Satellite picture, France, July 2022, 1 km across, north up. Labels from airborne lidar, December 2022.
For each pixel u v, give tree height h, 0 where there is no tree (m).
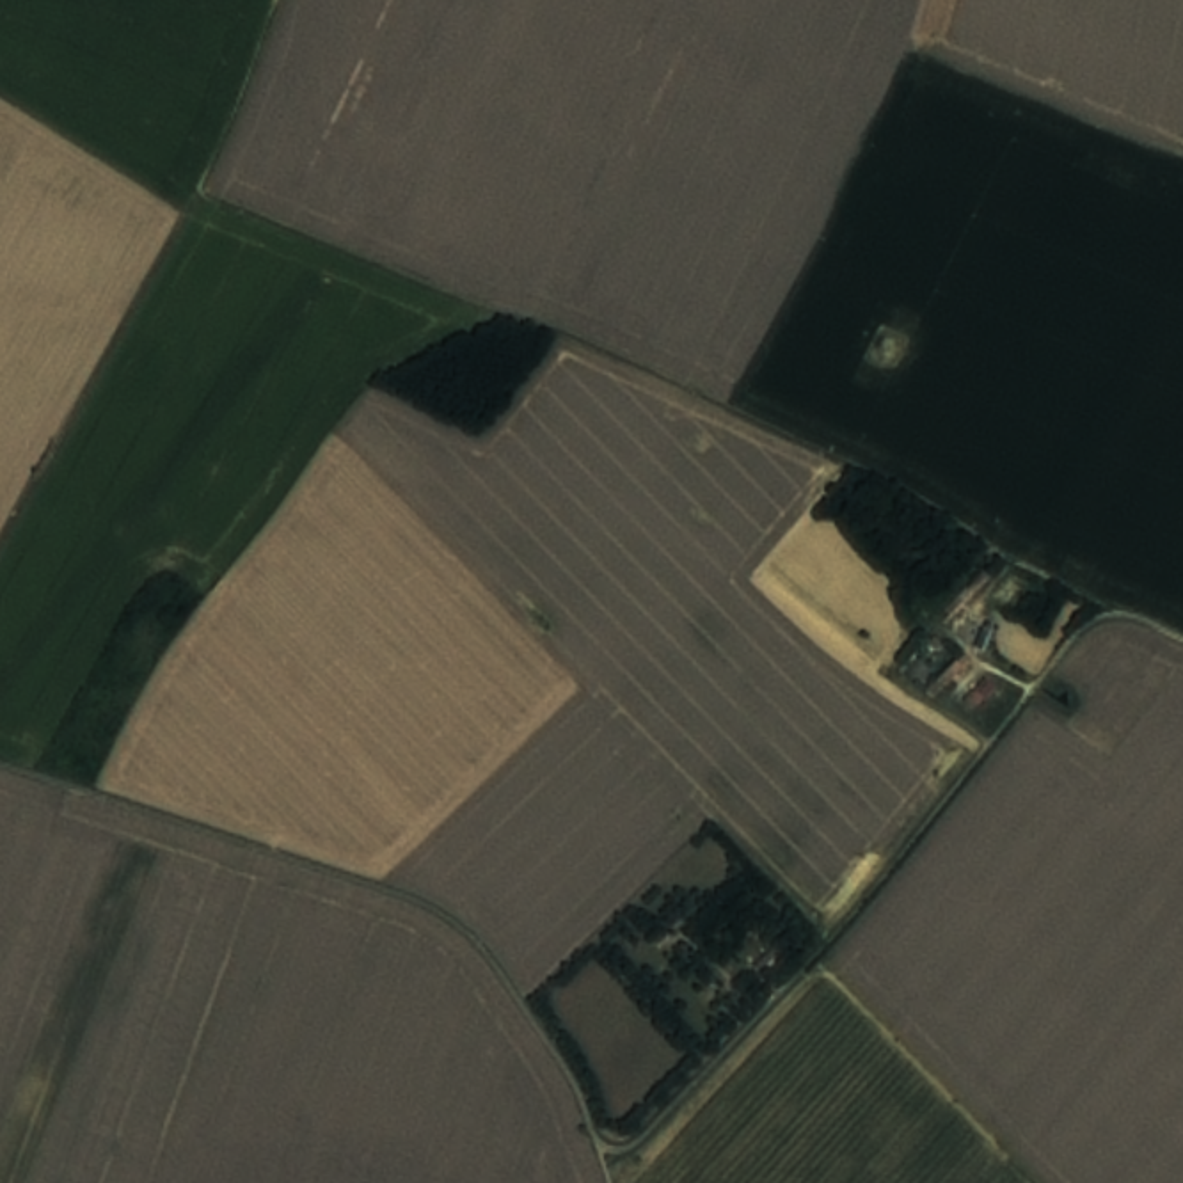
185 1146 0
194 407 0
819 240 0
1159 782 0
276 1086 0
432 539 0
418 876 0
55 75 0
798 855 0
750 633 0
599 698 0
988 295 0
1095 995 0
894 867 0
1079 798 0
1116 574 0
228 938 0
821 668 0
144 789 0
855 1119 0
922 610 0
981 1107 0
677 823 0
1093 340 0
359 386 0
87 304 0
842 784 0
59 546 0
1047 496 0
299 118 0
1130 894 0
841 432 0
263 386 0
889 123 0
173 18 0
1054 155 0
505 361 21
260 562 0
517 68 0
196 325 0
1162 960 0
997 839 0
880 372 0
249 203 0
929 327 0
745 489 0
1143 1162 0
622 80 0
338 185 0
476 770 0
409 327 0
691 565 0
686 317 0
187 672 0
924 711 0
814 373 0
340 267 0
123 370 0
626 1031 0
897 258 0
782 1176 0
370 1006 0
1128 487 0
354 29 0
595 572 0
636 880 0
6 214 0
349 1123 0
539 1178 0
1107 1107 0
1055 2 0
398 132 0
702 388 0
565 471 0
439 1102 0
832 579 0
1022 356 0
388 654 0
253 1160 0
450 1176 0
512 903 0
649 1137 0
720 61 0
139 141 0
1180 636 0
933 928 0
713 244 0
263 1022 0
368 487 0
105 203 0
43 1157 0
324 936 0
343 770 0
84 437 0
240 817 0
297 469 0
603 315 0
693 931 12
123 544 0
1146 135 0
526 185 0
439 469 0
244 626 0
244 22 0
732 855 12
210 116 0
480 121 0
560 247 0
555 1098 0
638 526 0
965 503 0
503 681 0
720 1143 0
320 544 0
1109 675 0
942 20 0
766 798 0
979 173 0
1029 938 0
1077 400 0
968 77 0
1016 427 0
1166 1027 0
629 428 0
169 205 0
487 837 0
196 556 0
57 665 0
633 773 0
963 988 0
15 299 0
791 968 13
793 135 0
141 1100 0
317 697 0
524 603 0
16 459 0
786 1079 0
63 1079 0
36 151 0
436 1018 0
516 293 0
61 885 0
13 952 0
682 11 0
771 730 0
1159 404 0
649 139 0
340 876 0
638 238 0
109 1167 0
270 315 0
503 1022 0
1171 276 0
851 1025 0
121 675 0
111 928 0
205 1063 0
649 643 0
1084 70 0
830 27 0
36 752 0
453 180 0
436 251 0
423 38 0
